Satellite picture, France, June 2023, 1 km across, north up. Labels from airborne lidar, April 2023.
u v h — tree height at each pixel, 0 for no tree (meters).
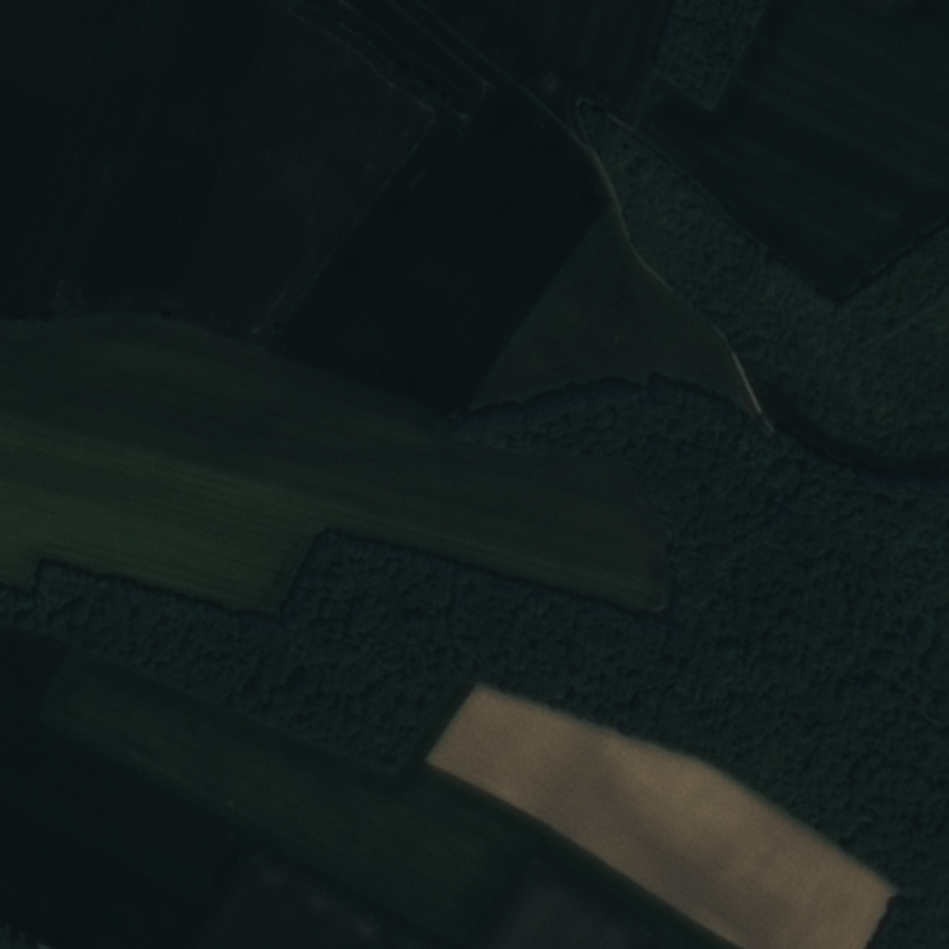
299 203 0
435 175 0
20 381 0
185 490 0
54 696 0
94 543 0
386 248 0
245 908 0
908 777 18
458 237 0
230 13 0
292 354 0
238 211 0
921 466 0
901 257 7
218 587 0
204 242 0
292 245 0
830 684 19
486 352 0
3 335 0
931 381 17
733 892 0
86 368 0
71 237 0
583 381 0
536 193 0
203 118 0
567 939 0
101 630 26
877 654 24
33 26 0
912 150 0
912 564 9
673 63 17
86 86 0
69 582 14
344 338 0
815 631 19
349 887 0
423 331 0
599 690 24
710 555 23
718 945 0
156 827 0
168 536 0
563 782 0
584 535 0
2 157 0
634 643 17
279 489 0
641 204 6
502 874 0
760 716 25
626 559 0
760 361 23
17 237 0
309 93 0
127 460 0
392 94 0
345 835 0
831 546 12
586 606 21
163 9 0
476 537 0
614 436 25
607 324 0
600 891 0
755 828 0
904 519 25
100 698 0
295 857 0
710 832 0
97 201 0
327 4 0
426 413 0
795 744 24
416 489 0
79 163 0
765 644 12
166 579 0
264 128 0
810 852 0
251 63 0
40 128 0
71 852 0
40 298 0
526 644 14
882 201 0
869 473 25
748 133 0
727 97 0
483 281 0
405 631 10
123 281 0
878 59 0
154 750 0
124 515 0
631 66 0
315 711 23
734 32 23
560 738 0
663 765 0
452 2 0
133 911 0
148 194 0
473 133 0
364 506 0
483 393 0
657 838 0
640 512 0
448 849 0
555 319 0
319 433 0
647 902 0
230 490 0
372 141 0
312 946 0
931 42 0
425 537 0
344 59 0
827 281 0
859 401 14
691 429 18
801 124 0
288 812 0
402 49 0
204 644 12
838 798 19
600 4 0
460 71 0
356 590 15
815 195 0
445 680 16
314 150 0
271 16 0
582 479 0
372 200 0
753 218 0
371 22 0
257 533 0
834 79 0
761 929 0
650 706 20
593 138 11
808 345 15
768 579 18
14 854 0
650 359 0
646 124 0
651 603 0
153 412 0
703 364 0
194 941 0
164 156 0
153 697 0
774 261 16
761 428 17
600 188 0
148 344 0
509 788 0
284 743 0
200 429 0
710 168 0
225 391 0
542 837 0
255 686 24
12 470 0
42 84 0
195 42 0
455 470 0
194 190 0
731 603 23
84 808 0
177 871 0
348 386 0
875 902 0
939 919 21
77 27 0
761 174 0
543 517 0
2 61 0
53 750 0
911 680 28
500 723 0
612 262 0
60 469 0
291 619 24
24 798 0
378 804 0
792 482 14
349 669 22
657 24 0
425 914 0
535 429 11
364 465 0
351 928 0
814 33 0
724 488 25
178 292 0
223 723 0
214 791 0
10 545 0
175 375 0
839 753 19
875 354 11
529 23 0
